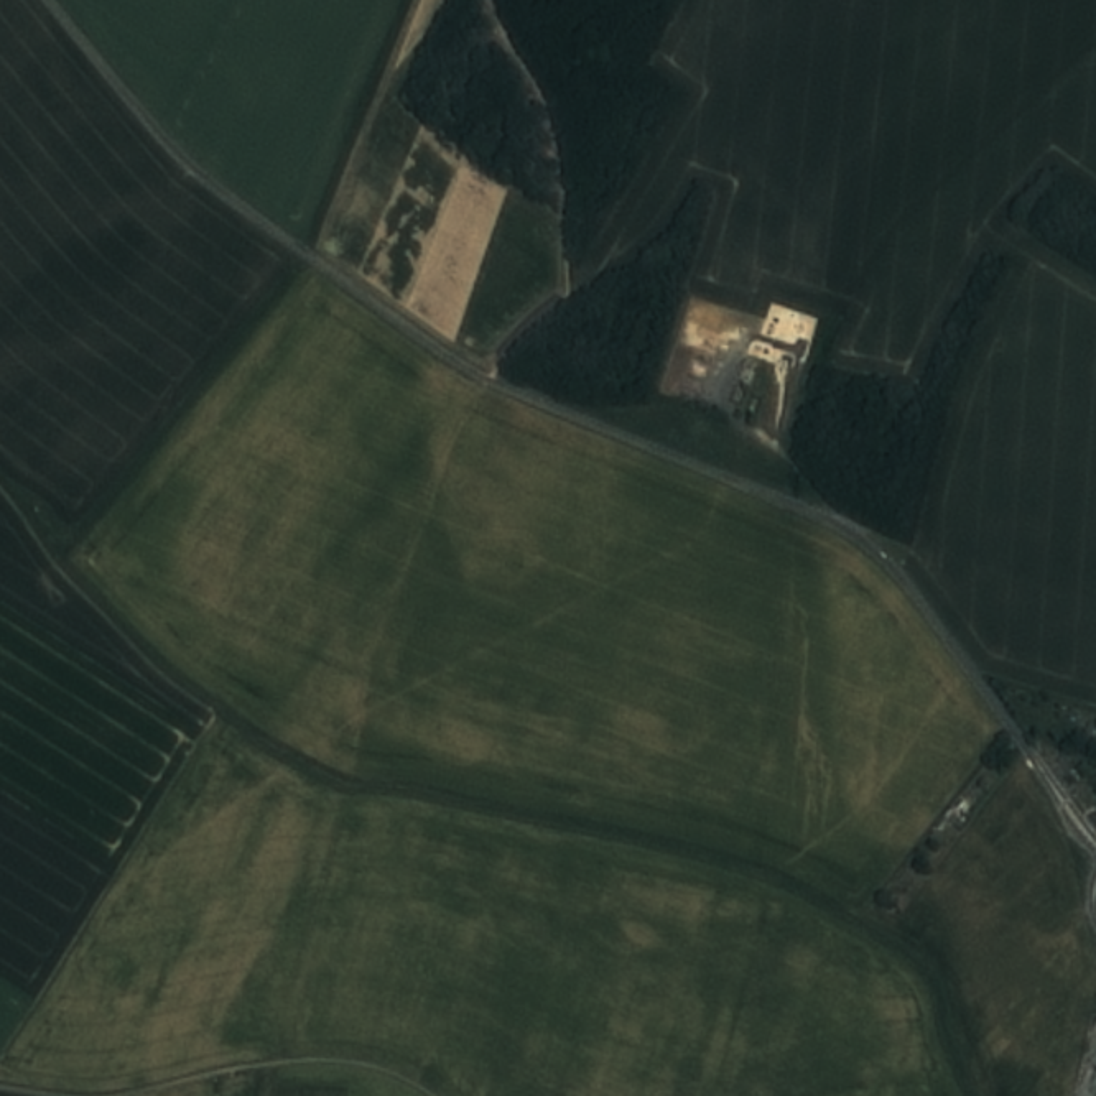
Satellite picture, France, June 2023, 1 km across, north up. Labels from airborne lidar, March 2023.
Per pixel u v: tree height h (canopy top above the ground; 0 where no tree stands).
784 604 0
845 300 0
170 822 0
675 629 0
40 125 0
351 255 0
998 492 0
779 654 0
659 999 0
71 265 0
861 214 0
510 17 20
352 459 0
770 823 0
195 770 0
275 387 0
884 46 0
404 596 0
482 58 20
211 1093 0
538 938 0
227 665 0
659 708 0
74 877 0
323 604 0
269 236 0
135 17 0
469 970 0
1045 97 0
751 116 0
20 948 0
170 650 0
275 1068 0
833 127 0
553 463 0
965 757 0
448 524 0
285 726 0
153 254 0
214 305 0
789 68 0
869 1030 0
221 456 0
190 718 0
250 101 0
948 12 0
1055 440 0
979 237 0
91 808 0
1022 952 0
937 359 8
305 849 0
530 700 0
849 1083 0
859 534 0
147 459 0
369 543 0
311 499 0
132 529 0
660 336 19
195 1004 0
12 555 0
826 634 0
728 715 0
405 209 0
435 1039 0
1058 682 0
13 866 0
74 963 0
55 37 0
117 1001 0
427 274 0
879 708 0
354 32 0
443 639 0
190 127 0
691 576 0
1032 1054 0
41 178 0
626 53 18
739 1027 0
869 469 14
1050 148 0
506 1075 0
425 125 13
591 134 20
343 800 0
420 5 0
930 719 0
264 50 0
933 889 0
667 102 12
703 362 0
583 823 0
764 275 0
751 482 0
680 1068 0
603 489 0
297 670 0
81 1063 0
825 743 0
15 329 0
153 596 0
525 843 0
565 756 0
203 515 0
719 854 0
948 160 0
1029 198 15
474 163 9
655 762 0
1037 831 0
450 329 0
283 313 0
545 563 0
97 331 0
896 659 0
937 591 0
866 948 0
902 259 0
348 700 0
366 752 0
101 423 0
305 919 0
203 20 0
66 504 0
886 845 0
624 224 0
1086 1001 0
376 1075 0
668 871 0
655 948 0
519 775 0
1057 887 0
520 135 20
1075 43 0
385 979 0
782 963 0
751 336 0
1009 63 0
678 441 0
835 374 7
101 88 0
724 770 0
